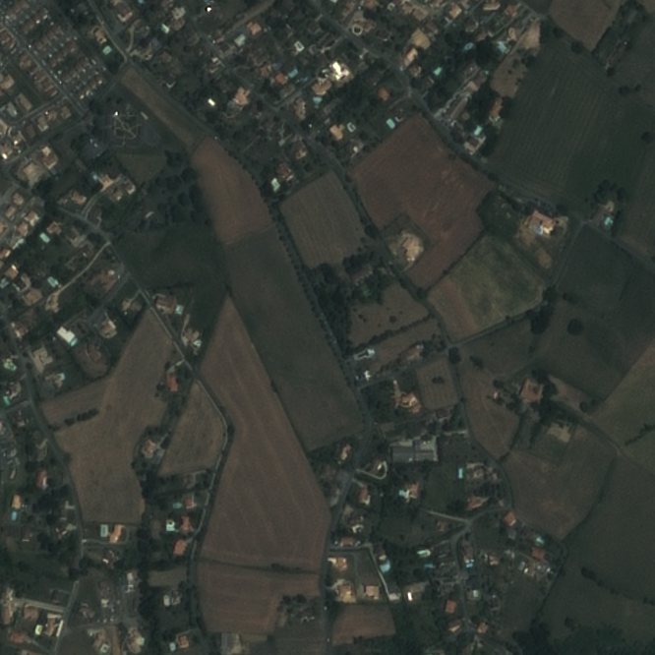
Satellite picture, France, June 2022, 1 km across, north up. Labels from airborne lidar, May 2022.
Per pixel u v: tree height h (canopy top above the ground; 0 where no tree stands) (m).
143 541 12
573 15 0
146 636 0
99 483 0
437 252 0
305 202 0
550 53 0
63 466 0
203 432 0
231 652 0
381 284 7
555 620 0
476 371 0
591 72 0
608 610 0
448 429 7
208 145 0
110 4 7
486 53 16
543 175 0
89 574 7
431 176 0
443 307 0
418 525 0
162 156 0
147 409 0
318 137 7
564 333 0
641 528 0
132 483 0
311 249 0
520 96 0
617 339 0
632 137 0
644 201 0
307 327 0
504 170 0
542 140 0
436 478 0
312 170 10
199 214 21
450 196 0
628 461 0
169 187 21
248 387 0
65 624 0
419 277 0
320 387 0
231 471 0
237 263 0
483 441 0
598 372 0
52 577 7
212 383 0
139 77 0
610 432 0
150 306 0
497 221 0
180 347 0
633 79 0
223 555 0
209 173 0
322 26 7
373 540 11
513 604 0
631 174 0
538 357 0
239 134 11
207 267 0
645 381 0
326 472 0
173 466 0
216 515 0
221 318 0
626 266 0
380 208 0
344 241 0
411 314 0
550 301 13
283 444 0
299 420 0
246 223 0
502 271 0
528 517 0
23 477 0
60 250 0
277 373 0
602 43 12
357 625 0
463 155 11
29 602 0
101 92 0
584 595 0
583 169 0
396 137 0
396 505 10
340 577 0
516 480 0
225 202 0
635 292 0
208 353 0
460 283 0
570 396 0
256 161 6
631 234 0
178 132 0
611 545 0
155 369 0
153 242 0
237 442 0
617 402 0
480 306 0
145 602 12
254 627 0
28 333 7
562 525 0
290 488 0
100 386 0
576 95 0
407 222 0
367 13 9
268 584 0
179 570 0
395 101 0
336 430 0
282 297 0
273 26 8
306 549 0
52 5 0
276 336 0
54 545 17
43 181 13
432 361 0
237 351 0
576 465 0
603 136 0
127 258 0
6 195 0
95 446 0
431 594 9
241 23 0
